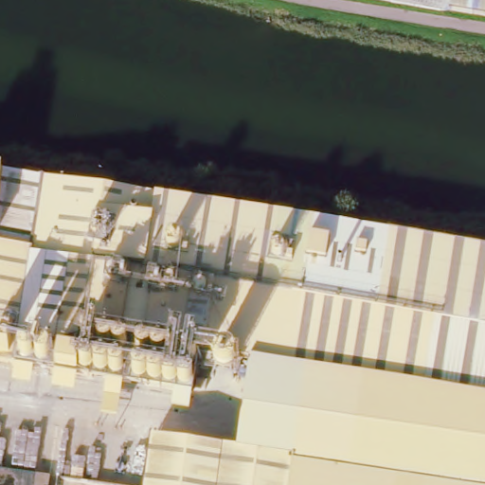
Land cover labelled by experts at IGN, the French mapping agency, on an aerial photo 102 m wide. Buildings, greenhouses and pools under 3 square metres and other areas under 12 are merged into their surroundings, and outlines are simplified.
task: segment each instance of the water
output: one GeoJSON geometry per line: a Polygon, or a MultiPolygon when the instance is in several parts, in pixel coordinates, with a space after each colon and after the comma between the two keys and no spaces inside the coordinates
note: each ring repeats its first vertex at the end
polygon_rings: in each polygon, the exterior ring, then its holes
{"type": "Polygon", "coordinates": [[[265,182],[265,186],[269,186],[269,182],[280,174],[286,186],[313,186],[328,189],[337,195],[350,193],[356,199],[356,203],[362,199],[394,199],[417,210],[449,214],[485,212],[485,61],[462,61],[436,57],[430,53],[396,51],[388,47],[358,44],[349,38],[311,36],[297,30],[278,27],[267,17],[242,15],[233,9],[205,4],[207,0],[0,0],[0,148],[8,144],[27,144],[38,152],[49,150],[55,155],[85,153],[95,155],[99,161],[108,150],[121,150],[129,159],[148,159],[150,163],[165,161],[174,169],[195,167],[201,174],[210,172],[216,182],[220,182],[222,178],[235,178],[242,182],[248,174],[250,184],[261,186],[265,182]]]}

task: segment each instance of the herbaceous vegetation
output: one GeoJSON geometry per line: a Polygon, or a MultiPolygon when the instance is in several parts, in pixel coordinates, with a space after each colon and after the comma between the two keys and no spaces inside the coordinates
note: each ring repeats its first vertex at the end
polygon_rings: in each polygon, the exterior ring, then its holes
{"type": "Polygon", "coordinates": [[[434,40],[440,40],[479,44],[485,47],[485,34],[464,32],[455,28],[426,27],[371,15],[303,6],[284,0],[207,0],[205,4],[233,9],[242,15],[267,17],[271,11],[288,11],[297,17],[314,17],[330,23],[358,25],[366,34],[398,36],[402,40],[415,40],[428,45],[432,45],[434,40]]]}
{"type": "Polygon", "coordinates": [[[404,9],[422,15],[485,23],[485,15],[460,13],[449,9],[421,8],[409,4],[396,4],[388,0],[345,0],[381,8],[404,9]]]}
{"type": "Polygon", "coordinates": [[[451,235],[485,239],[485,212],[449,214],[417,210],[394,199],[362,199],[356,203],[349,216],[358,220],[409,225],[451,235]]]}
{"type": "Polygon", "coordinates": [[[216,182],[210,172],[201,174],[195,167],[174,169],[165,161],[150,163],[148,159],[129,159],[121,150],[108,150],[99,161],[95,155],[85,153],[55,155],[49,150],[38,152],[27,144],[8,144],[0,148],[0,157],[2,165],[6,167],[97,176],[135,186],[184,189],[193,193],[222,195],[339,216],[341,207],[337,205],[337,195],[328,189],[313,186],[286,186],[280,174],[269,182],[269,186],[265,186],[265,182],[261,186],[250,184],[248,174],[242,182],[235,178],[222,178],[220,182],[216,182]]]}

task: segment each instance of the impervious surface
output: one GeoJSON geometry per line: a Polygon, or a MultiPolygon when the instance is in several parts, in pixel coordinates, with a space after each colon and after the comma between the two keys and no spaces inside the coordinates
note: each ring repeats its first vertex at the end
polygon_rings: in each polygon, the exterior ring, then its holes
{"type": "Polygon", "coordinates": [[[404,9],[381,8],[345,0],[284,0],[303,6],[371,15],[426,27],[455,28],[464,32],[485,34],[485,23],[422,15],[404,9]]]}
{"type": "Polygon", "coordinates": [[[70,364],[59,360],[53,360],[53,366],[34,368],[30,362],[19,362],[8,356],[8,350],[0,350],[0,485],[142,485],[140,476],[146,472],[150,453],[148,438],[155,430],[188,432],[210,438],[235,440],[241,405],[246,404],[248,400],[256,400],[258,396],[242,383],[241,379],[233,377],[229,362],[220,364],[212,358],[207,358],[208,347],[201,345],[195,352],[195,358],[191,360],[191,373],[186,379],[133,373],[133,369],[119,377],[119,368],[95,364],[70,364]]]}

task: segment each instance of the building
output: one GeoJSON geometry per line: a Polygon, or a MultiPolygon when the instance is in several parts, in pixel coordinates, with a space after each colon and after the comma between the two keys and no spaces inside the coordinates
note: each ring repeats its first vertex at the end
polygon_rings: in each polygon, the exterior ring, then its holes
{"type": "Polygon", "coordinates": [[[485,15],[485,0],[388,0],[396,4],[409,4],[421,8],[449,9],[460,13],[485,15]]]}
{"type": "Polygon", "coordinates": [[[97,176],[6,167],[2,165],[0,157],[0,350],[8,350],[8,356],[19,362],[30,362],[34,368],[53,366],[53,360],[59,360],[70,364],[95,364],[119,368],[119,377],[133,369],[133,373],[186,379],[191,373],[191,360],[195,358],[195,352],[201,345],[208,347],[207,358],[212,358],[220,364],[229,362],[233,377],[241,379],[242,383],[258,396],[256,400],[248,400],[246,404],[241,405],[235,440],[210,438],[188,432],[155,430],[148,438],[150,453],[146,472],[140,476],[142,485],[485,485],[485,239],[451,235],[409,225],[358,220],[349,216],[339,216],[222,195],[193,193],[184,189],[135,186],[97,176]]]}

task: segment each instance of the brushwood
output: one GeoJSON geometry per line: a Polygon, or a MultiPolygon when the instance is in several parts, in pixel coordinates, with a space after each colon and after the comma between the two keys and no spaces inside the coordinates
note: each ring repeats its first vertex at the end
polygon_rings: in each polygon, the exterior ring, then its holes
{"type": "Polygon", "coordinates": [[[366,34],[358,25],[330,23],[314,17],[297,17],[288,11],[271,11],[267,17],[278,27],[297,30],[311,36],[349,38],[358,44],[388,47],[396,51],[430,53],[436,57],[462,61],[485,61],[485,47],[479,44],[440,40],[434,40],[432,45],[428,45],[415,40],[402,40],[398,36],[366,34]]]}

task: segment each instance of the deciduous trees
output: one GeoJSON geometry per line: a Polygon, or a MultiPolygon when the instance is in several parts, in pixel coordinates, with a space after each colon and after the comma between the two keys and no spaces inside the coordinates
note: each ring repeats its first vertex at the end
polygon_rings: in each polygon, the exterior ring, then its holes
{"type": "Polygon", "coordinates": [[[341,207],[339,216],[349,216],[356,203],[356,199],[350,193],[337,195],[337,205],[341,207]]]}

